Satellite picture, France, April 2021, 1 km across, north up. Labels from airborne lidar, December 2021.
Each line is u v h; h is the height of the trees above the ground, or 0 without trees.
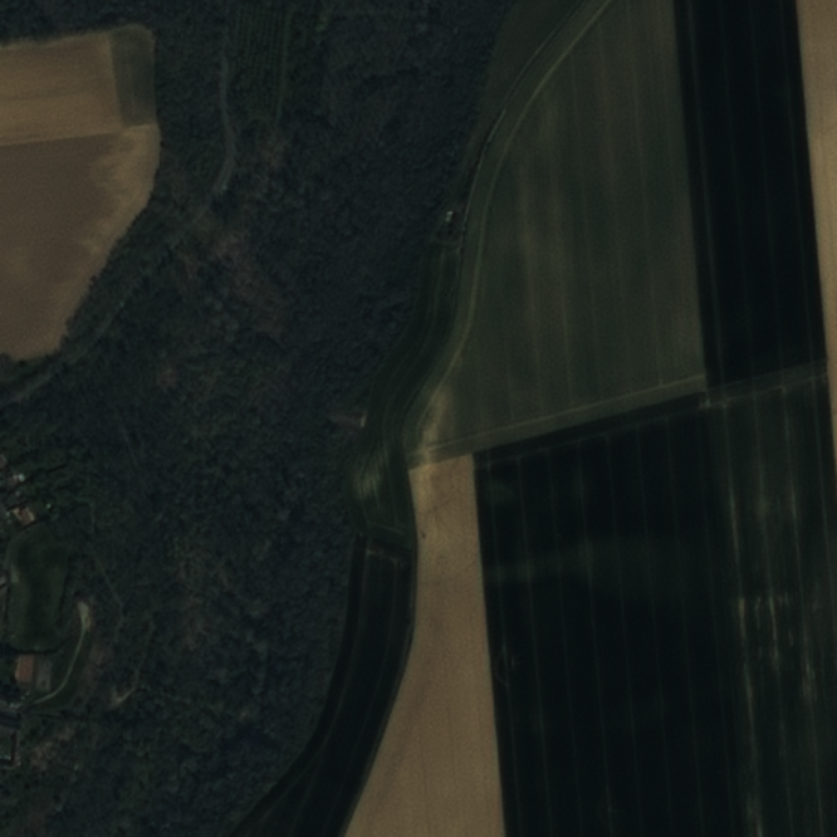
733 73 0
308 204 24
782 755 0
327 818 0
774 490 0
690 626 0
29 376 9
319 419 7
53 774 10
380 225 18
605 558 0
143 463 29
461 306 0
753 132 0
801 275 0
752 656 0
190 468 6
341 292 14
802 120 0
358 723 0
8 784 6
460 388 0
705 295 0
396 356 0
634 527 0
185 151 6
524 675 0
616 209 0
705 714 0
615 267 0
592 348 0
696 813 0
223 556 22
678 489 0
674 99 0
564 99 0
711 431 0
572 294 0
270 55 29
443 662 0
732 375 0
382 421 0
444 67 18
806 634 0
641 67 0
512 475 0
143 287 22
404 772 0
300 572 24
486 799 0
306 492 11
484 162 0
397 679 0
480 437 0
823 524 0
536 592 0
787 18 0
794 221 0
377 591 0
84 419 26
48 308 0
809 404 0
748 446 0
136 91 0
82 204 0
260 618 6
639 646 0
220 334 8
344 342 17
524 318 0
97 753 6
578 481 0
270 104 34
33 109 0
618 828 0
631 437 0
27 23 16
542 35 0
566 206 0
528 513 0
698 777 0
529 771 0
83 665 0
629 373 0
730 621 0
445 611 0
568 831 0
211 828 21
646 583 0
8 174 0
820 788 0
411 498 0
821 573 0
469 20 18
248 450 19
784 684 0
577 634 0
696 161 0
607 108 0
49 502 10
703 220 0
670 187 0
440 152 15
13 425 16
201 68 7
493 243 0
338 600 22
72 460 19
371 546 0
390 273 7
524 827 0
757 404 0
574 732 0
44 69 0
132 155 0
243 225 19
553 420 0
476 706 0
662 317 0
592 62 0
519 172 0
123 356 34
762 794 0
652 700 0
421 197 14
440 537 0
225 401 12
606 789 0
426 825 0
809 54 0
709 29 0
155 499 27
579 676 0
